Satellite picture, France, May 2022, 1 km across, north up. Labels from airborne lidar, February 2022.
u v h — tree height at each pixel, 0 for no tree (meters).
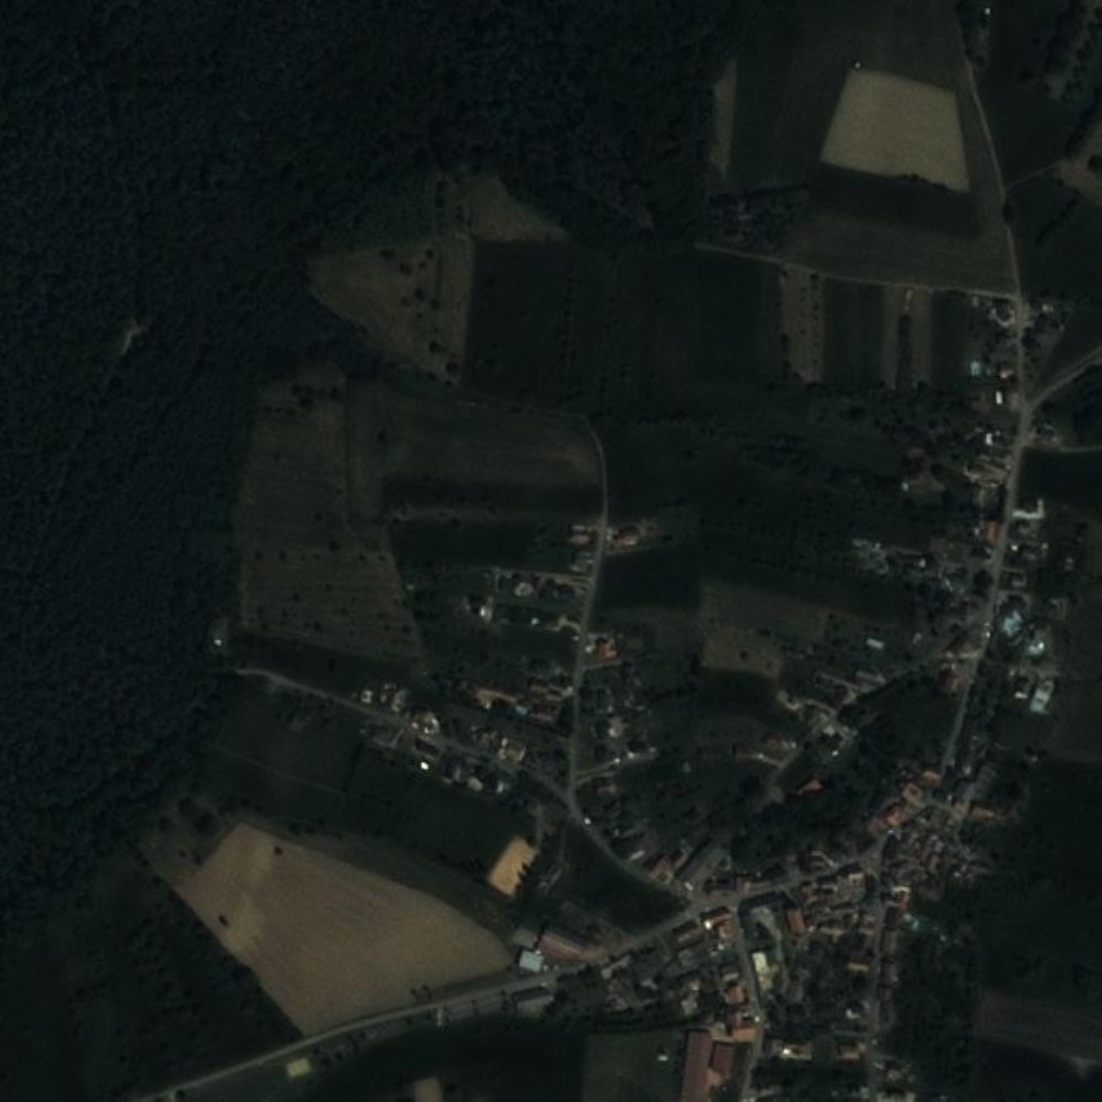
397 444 0
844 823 6
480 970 0
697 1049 0
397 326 0
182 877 0
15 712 27
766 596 0
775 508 0
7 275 29
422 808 0
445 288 0
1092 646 0
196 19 23
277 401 0
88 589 25
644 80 26
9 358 19
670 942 0
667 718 0
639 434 0
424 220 21
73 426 15
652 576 0
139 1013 0
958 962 0
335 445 0
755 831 15
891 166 0
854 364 0
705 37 9
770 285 0
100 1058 0
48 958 0
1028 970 17
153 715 29
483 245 0
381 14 12
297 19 21
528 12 24
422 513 0
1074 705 0
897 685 6
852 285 0
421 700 0
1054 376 0
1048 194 0
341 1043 0
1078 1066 0
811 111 0
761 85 0
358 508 0
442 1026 0
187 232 15
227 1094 0
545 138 26
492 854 0
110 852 22
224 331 17
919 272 0
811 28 0
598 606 0
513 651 0
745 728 0
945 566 0
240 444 12
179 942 0
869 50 0
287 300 24
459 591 0
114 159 30
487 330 0
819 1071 0
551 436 0
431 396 0
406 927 0
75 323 16
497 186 0
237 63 25
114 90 23
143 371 13
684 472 0
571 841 0
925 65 0
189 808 12
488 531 0
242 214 15
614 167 27
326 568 0
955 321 0
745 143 0
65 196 23
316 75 14
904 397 6
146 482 20
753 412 0
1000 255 0
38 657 29
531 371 0
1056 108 0
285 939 0
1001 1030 0
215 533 23
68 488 11
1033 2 0
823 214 0
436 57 14
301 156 17
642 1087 0
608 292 0
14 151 32
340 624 0
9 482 14
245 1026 0
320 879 0
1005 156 0
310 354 24
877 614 0
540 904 0
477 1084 0
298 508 0
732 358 0
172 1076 0
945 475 10
